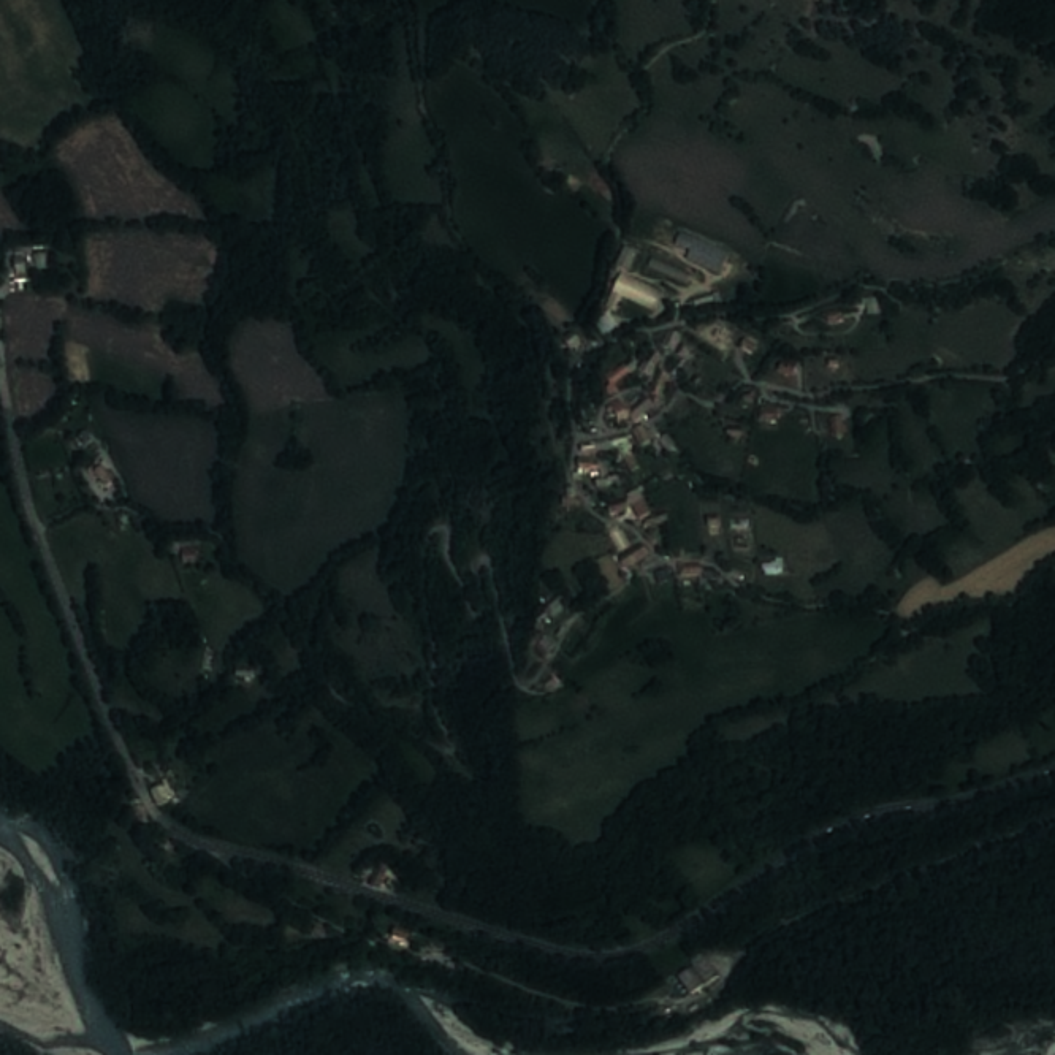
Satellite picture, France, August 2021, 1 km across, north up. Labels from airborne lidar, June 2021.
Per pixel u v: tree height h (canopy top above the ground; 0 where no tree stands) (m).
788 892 26
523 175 0
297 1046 10
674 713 0
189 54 0
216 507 7
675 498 0
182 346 17
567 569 0
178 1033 10
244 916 0
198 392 0
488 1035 12
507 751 7
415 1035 17
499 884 23
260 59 12
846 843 24
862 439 14
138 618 0
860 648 0
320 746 6
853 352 7
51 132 11
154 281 0
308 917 15
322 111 10
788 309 11
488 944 16
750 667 0
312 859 13
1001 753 0
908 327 0
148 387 0
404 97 0
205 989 23
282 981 17
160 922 18
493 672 19
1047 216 0
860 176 0
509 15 13
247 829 0
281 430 0
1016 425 17
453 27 16
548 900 8
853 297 12
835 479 8
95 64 21
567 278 0
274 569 0
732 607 14
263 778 0
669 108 0
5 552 0
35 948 0
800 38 8
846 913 15
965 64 6
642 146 0
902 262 0
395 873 10
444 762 11
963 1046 12
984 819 12
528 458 14
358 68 18
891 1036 19
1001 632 18
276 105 21
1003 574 0
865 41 13
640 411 0
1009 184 11
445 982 12
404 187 0
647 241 0
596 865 20
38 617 0
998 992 15
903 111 7
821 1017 20
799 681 0
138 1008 15
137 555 0
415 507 14
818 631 0
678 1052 0
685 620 0
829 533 0
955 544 0
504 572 7
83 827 13
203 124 0
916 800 17
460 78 0
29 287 8
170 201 0
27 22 0
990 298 11
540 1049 18
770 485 0
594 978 16
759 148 0
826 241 0
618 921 11
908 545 11
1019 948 14
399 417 0
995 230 0
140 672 20
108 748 19
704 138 0
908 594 0
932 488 8
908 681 0
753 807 7
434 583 11
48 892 0
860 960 24
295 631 14
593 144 0
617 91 0
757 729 0
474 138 0
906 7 0
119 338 0
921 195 0
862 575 0
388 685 10
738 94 7
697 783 25
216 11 12
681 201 0
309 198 8
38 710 0
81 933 0
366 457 0
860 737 22
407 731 15
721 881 0
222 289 16
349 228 0
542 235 0
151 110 0
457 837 14
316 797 0
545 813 0
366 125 17
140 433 0
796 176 0
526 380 18
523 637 10
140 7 10
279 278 16
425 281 16
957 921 19
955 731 21
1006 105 11
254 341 0
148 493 0
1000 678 15
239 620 0
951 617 15
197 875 17
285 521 0
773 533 0
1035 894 8
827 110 9
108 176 0
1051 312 14
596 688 0
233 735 16
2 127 0
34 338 0
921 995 7
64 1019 0
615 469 8
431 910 0
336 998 13
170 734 7
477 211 0
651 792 18
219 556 11
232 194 0
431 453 6
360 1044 17
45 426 15
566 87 12
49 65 0
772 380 0
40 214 16
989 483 14
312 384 0
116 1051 0
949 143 0
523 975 9
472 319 20
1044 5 15
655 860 23
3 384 0
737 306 12
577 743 0
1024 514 0
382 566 10
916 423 0
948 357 0
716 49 11
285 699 12
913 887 21
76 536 0
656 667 10
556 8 0
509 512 11
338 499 0
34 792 19
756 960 10
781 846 17
